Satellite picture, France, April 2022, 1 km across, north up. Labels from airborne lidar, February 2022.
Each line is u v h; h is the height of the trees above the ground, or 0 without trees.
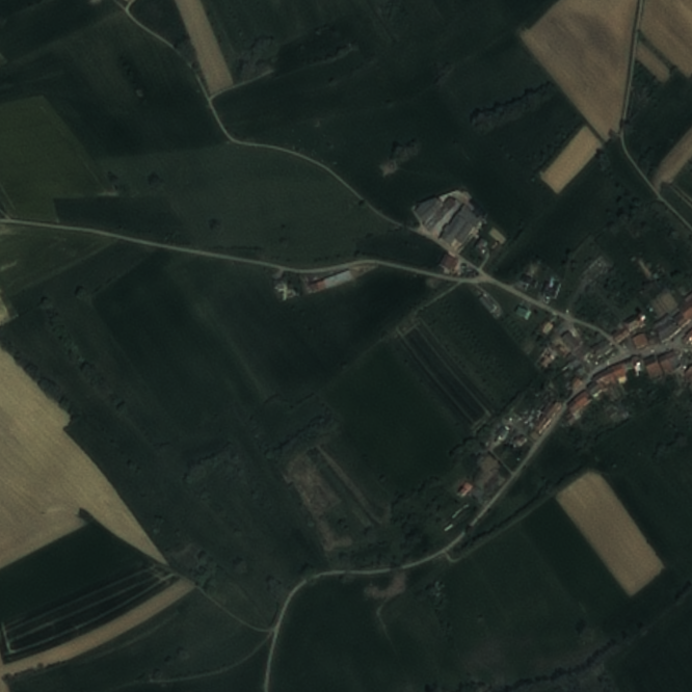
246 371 0
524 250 0
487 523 0
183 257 0
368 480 0
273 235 0
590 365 0
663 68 0
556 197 0
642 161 6
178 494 0
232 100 0
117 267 0
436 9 0
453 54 0
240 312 0
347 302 0
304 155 0
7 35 0
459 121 0
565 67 0
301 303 0
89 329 0
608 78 0
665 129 0
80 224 0
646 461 0
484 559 0
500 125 9
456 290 0
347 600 0
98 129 0
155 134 0
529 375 0
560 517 0
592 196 0
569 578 0
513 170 0
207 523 0
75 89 0
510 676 0
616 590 0
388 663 0
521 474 0
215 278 0
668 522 0
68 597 0
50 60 0
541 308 0
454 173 0
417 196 0
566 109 0
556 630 0
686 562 0
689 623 0
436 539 0
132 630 0
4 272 0
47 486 0
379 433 0
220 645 0
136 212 0
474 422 0
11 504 0
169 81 0
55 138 0
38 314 0
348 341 0
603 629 0
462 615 0
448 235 0
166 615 0
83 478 0
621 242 0
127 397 0
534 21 0
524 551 0
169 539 0
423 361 0
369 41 0
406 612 0
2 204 0
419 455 0
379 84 0
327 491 0
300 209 0
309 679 0
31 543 0
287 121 0
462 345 0
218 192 0
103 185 0
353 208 0
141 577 0
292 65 0
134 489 0
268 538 0
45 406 0
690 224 0
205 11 0
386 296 0
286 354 0
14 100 0
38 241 0
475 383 0
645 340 0
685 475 0
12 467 0
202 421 0
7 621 0
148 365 0
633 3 0
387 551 0
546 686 16
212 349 0
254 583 0
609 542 0
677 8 0
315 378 0
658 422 0
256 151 0
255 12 0
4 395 0
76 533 0
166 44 0
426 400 0
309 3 0
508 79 0
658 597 0
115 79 0
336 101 0
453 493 0
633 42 0
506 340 0
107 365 0
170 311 0
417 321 0
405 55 0
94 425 0
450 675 0
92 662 0
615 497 0
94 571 0
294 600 0
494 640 0
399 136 0
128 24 0
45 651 0
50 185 0
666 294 0
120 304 0
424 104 0
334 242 0
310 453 8
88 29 0
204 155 0
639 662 0
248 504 0
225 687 0
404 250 0
